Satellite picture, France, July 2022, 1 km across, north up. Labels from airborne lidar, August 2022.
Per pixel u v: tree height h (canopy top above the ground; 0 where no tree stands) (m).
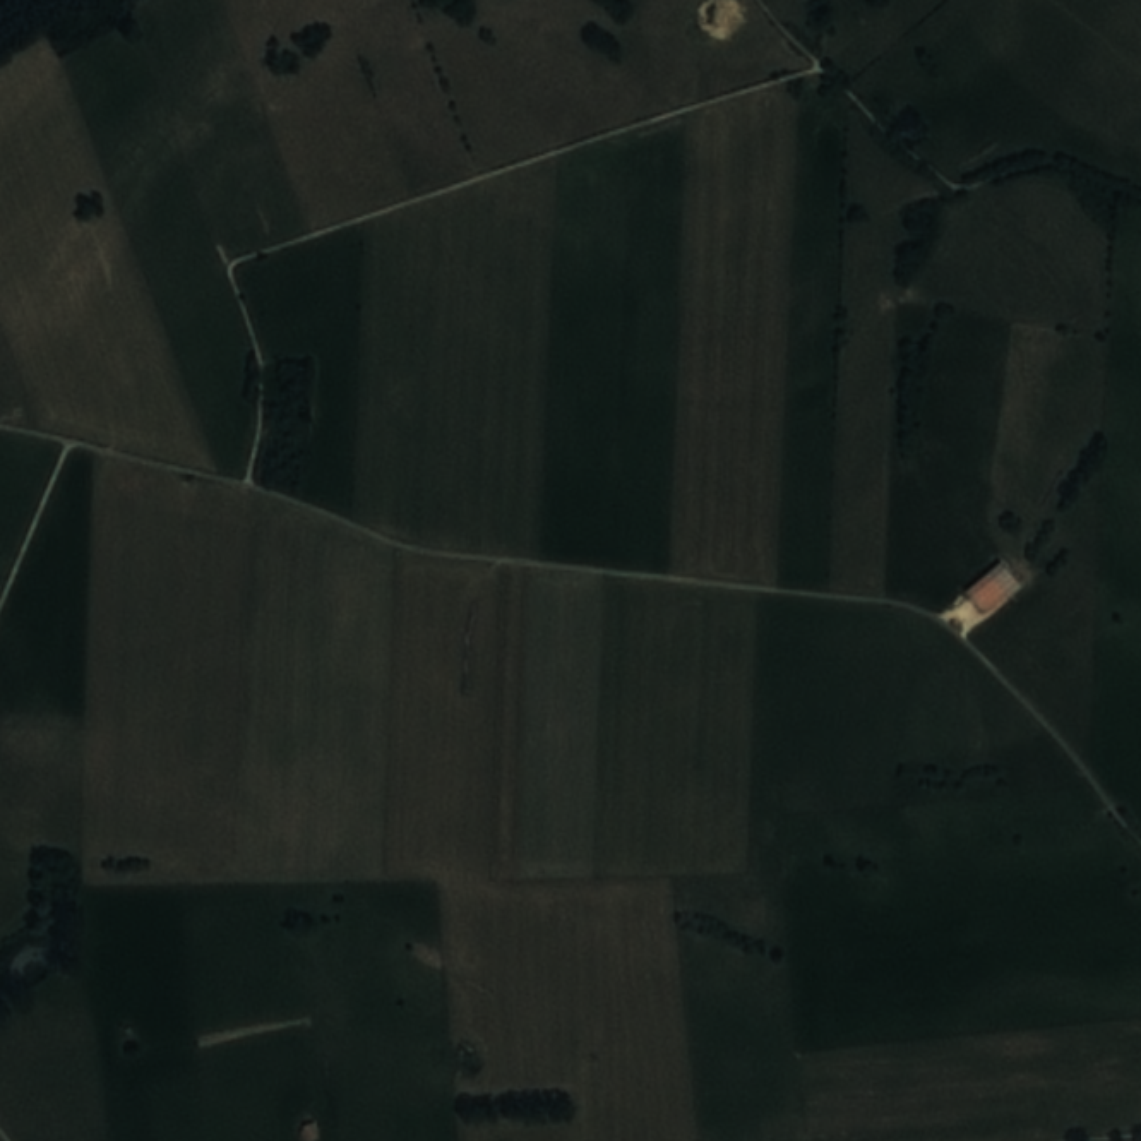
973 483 0
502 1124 0
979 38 0
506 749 0
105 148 0
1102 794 0
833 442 0
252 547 0
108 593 0
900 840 0
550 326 0
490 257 0
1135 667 0
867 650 0
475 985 0
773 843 0
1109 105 0
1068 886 0
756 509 0
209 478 0
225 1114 0
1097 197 7
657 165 0
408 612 0
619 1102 0
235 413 0
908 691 0
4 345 0
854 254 0
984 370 0
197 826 0
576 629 0
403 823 0
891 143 7
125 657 0
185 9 0
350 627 0
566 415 0
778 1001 0
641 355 0
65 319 0
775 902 0
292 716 0
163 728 0
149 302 0
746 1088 0
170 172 0
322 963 0
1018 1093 0
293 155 0
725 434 0
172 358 0
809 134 0
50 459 0
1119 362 0
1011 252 0
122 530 0
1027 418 0
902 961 0
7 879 0
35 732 0
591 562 0
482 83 0
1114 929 0
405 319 0
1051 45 0
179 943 0
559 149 0
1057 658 0
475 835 0
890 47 0
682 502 0
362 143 0
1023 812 0
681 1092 0
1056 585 0
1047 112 0
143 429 0
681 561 0
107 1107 0
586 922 0
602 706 0
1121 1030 0
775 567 0
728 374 0
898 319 0
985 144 0
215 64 0
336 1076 0
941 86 0
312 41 13
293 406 6
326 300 0
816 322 0
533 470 0
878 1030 0
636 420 0
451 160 0
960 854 0
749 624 0
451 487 0
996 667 0
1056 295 0
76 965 28
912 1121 0
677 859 0
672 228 0
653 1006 0
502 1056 0
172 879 0
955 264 0
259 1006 0
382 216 0
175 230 0
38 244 0
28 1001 28
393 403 0
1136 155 0
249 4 0
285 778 0
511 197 0
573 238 0
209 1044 0
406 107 0
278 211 0
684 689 0
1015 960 0
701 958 0
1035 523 0
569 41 0
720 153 0
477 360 0
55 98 0
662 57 0
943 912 0
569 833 0
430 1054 0
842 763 0
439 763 0
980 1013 0
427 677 0
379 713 0
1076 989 0
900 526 0
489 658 0
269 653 0
